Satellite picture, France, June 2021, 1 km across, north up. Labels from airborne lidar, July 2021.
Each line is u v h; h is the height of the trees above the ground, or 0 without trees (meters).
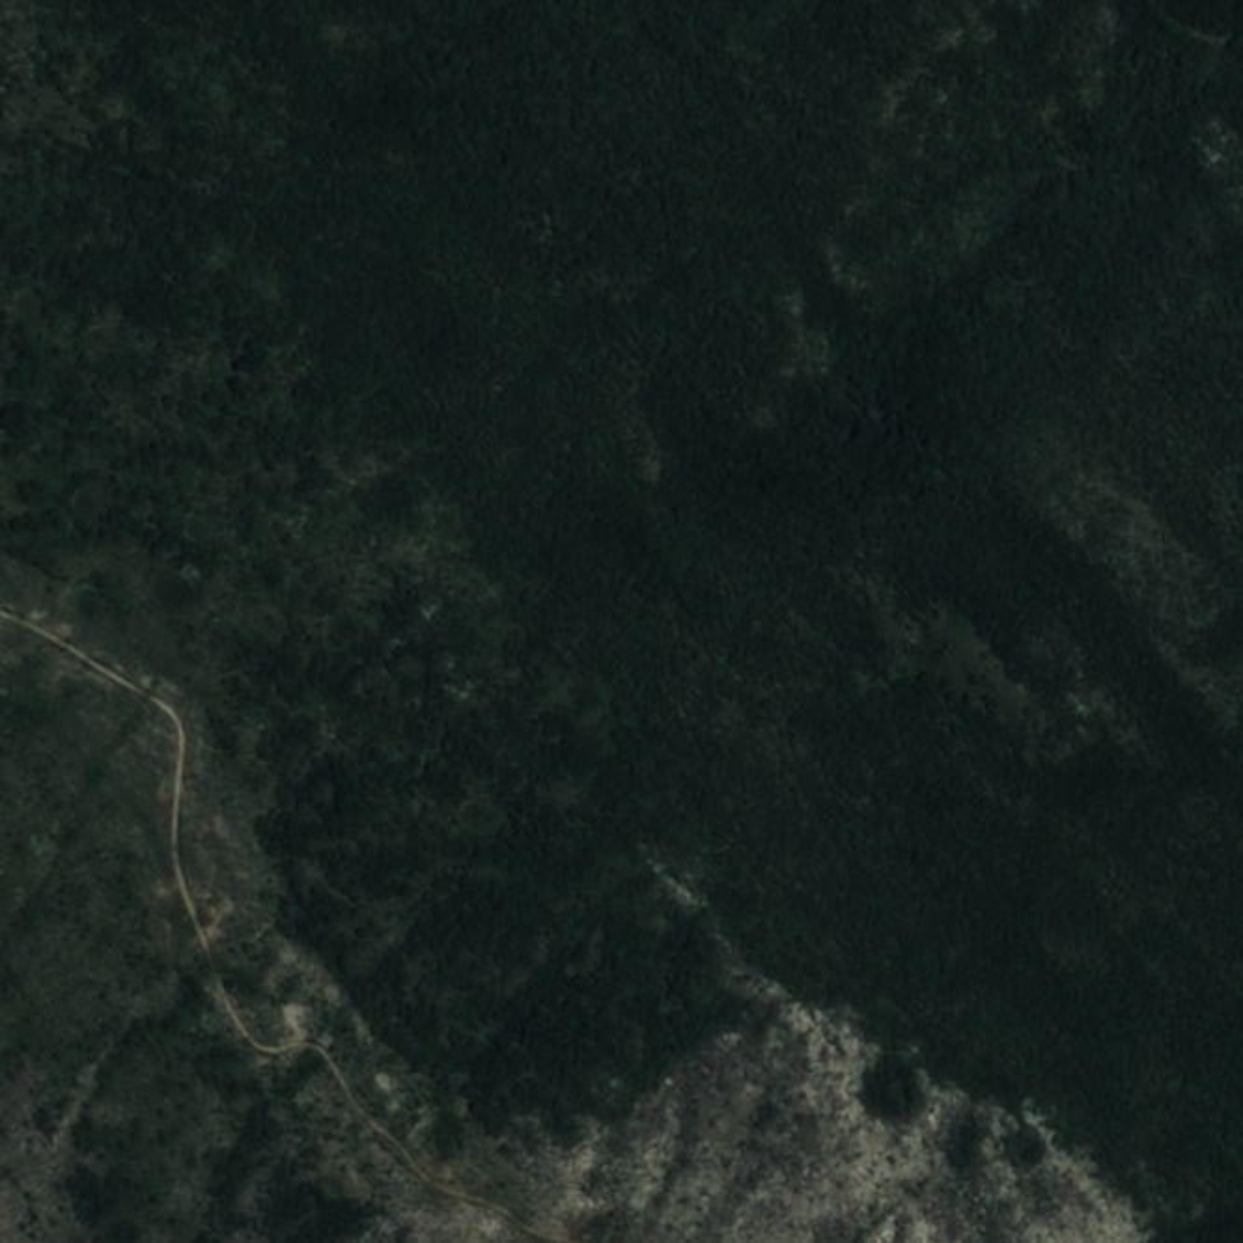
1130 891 8
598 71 13
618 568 9
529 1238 0
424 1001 6
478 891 10
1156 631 6
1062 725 7
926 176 8
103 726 0
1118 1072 7
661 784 6
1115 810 7
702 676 8
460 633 6
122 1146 9
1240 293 10
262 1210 6
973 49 6
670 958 8
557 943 7
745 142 7
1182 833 5
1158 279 7
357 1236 8
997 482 10
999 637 9
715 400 13
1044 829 8
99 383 7
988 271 9
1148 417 6
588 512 11
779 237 8
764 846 6
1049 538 10
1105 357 6
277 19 9
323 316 6
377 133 8
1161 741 7
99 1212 8
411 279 10
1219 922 8
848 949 7
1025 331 8
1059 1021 8
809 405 14
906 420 24
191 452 7
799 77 8
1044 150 8
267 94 7
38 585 0
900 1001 6
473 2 11
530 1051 8
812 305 11
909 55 9
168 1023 9
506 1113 6
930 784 10
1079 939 7
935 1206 0
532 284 7
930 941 6
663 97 10
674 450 11
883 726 11
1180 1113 7
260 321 7
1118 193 7
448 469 7
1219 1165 6
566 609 9
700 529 12
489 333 7
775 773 6
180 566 7
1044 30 9
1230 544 7
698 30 7
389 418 9
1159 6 9
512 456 10
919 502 13
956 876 7
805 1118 7
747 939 7
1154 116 15
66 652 0
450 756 9
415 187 9
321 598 7
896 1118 8
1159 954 8
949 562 12
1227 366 9
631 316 9
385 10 6
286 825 9
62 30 6
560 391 9
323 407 8
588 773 6
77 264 13
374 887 7
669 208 12
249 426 8
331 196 7
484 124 9
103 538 7
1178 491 6
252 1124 8
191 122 6
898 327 12
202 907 0
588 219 7
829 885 7
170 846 0
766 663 8
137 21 7
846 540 10
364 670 8
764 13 7
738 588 6
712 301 10
